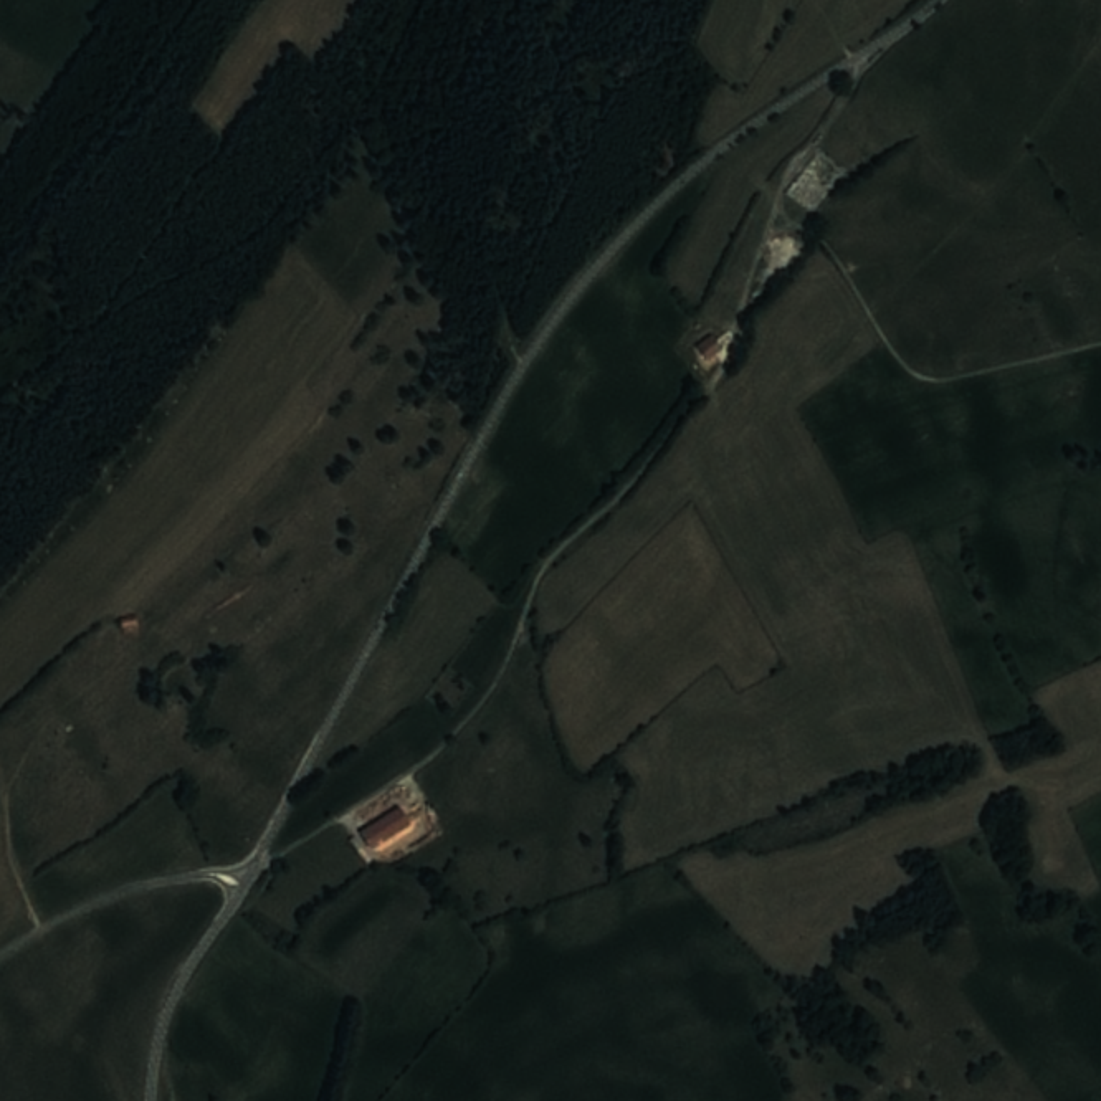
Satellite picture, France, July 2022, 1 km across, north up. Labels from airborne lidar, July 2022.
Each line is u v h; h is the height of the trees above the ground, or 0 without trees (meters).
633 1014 0
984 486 0
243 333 0
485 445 0
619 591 0
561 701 0
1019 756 14
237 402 0
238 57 0
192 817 6
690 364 0
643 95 15
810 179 0
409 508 0
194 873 0
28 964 0
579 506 0
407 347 0
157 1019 0
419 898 0
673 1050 0
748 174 0
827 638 0
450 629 0
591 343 0
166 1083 0
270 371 0
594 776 8
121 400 24
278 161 14
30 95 0
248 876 0
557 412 0
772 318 0
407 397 21
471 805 0
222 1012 0
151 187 16
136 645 0
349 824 0
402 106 16
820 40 0
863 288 0
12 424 22
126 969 0
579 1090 0
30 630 0
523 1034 0
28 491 25
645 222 0
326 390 0
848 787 12
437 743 0
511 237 17
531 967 0
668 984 0
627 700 0
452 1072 0
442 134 21
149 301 17
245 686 0
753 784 0
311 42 0
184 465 0
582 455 0
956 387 0
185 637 0
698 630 0
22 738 0
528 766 0
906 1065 0
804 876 0
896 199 0
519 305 15
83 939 0
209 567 0
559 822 0
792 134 0
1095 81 0
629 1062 0
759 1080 0
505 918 6
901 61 0
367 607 0
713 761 0
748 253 0
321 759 0
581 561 0
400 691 0
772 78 0
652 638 0
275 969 0
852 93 8
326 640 0
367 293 0
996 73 0
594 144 13
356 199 0
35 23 0
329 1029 0
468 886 0
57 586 0
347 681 0
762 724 0
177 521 0
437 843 0
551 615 0
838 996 21
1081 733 0
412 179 30
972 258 0
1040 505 0
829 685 0
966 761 10
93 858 0
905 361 0
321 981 0
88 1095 0
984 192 0
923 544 0
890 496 0
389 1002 0
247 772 0
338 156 21
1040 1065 0
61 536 0
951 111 0
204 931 0
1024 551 0
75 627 0
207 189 17
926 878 21
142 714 0
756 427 0
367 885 0
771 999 0
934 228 0
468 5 20
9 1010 0
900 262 0
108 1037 0
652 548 0
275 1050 0
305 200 20
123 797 0
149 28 9
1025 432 0
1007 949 0
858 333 0
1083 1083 0
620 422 0
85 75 13
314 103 16
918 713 0
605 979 0
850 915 0
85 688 0
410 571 0
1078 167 0
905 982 0
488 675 0
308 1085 0
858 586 0
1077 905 6
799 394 0
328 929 0
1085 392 0
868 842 0
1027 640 0
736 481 0
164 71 10
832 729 0
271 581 0
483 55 28
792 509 0
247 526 0
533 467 0
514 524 0
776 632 0
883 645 0
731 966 0
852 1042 16
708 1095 0
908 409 0
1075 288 0
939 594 0
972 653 0
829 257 11
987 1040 0
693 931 0
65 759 0
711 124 0
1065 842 0
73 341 15
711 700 0
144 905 0
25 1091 0
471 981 0
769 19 0
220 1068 0
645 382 0
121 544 0
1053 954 0
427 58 13
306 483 0
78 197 10
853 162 0
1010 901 0
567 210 17
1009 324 0
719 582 0
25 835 0
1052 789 0
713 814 0
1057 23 0
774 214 0
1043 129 0
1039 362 0
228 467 0
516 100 26
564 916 0
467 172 22
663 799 0
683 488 0
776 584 0
